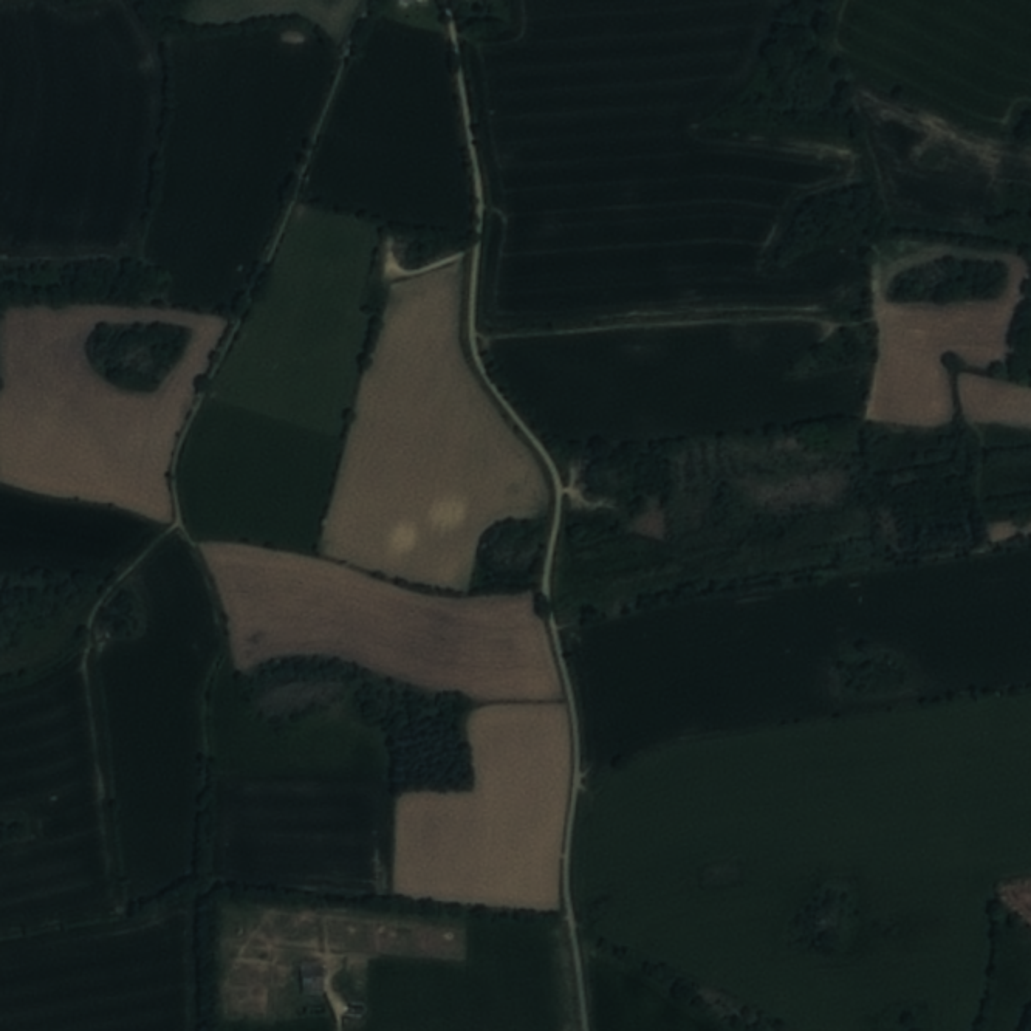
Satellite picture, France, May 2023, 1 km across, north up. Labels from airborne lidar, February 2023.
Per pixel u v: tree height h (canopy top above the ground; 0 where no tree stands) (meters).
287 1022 0
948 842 0
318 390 0
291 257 0
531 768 0
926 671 0
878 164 0
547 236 0
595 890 0
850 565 9
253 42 0
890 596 0
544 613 16
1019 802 0
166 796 0
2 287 8
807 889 0
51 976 0
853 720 0
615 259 0
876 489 8
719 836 0
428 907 15
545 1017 0
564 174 0
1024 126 12
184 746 0
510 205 0
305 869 0
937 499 9
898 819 0
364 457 0
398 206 0
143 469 0
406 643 0
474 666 0
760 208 0
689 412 0
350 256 0
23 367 0
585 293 0
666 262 0
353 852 0
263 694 0
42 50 0
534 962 0
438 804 0
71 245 0
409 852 0
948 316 0
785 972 0
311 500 0
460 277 0
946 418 0
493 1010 0
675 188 0
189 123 0
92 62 0
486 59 0
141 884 0
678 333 0
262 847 0
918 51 0
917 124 0
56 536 0
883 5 0
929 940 0
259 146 0
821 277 0
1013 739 0
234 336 7
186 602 0
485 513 0
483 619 0
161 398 0
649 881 0
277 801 0
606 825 0
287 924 0
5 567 0
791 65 6
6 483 0
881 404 0
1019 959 0
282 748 0
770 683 0
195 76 0
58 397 0
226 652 0
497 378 14
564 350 0
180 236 0
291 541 0
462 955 0
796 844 0
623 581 0
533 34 0
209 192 0
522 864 0
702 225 0
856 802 0
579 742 0
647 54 0
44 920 0
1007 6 0
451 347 0
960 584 0
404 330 0
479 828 0
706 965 0
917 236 13
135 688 0
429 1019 0
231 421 0
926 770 0
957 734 0
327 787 0
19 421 0
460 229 0
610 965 0
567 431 0
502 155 0
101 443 0
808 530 0
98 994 0
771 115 10
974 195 0
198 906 15
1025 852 0
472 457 0
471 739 0
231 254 0
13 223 0
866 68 0
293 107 0
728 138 0
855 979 0
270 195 0
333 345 0
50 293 12
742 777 0
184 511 0
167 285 9
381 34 0
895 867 0
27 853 0
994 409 0
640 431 0
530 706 0
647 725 0
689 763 0
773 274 0
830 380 0
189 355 0
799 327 0
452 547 0
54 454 0
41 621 6
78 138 0
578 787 0
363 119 0
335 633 0
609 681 0
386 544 0
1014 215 12
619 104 0
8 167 0
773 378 0
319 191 0
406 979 0
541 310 0
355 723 0
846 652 0
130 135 0
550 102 0
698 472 0
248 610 0
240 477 0
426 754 28
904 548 7
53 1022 0
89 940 0
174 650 0
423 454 0
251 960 0
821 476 0
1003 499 8
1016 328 14
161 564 0
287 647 0
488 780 0
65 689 0
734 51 0
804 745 0
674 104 0
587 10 0
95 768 0
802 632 0
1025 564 0
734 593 14
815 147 0
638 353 0
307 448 0
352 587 0
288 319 0
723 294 0
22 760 0
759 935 0
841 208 14
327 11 0
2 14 0
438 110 0
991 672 0
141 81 0
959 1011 0
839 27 0
